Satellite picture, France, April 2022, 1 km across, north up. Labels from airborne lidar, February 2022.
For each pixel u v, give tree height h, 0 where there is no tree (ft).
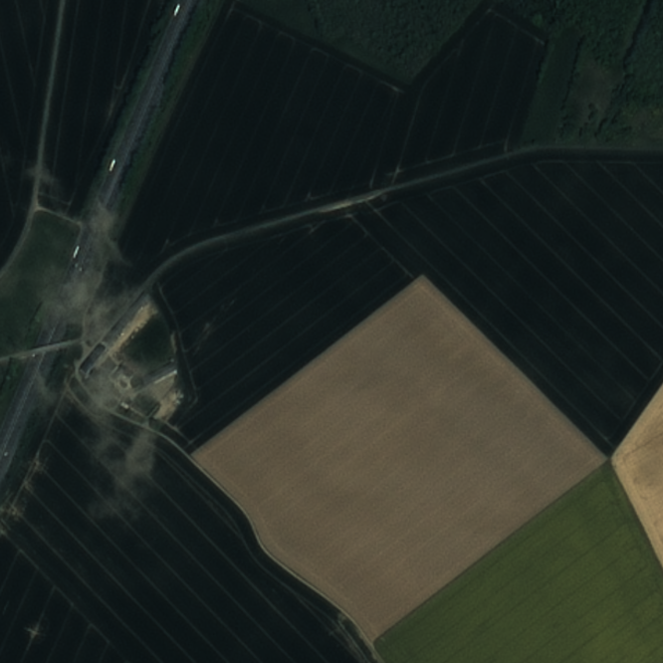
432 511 0
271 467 0
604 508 0
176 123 0
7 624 0
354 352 0
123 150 0
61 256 0
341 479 0
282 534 0
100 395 40
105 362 0
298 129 0
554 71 0
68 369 0
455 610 0
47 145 0
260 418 0
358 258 0
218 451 0
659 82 55
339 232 0
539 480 0
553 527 0
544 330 0
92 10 0
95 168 0
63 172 0
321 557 0
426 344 0
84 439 0
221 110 0
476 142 0
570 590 0
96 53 0
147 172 0
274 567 0
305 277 0
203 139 0
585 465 0
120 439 0
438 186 0
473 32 0
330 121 0
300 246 0
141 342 0
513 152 0
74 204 0
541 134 0
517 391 0
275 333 0
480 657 0
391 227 0
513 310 0
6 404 0
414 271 0
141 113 0
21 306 0
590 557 0
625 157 0
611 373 0
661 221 0
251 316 0
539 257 0
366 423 0
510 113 0
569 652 0
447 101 0
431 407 0
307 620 0
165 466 0
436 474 0
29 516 0
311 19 0
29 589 0
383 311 0
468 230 0
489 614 0
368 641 0
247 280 0
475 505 0
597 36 58
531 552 0
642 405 0
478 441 0
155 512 0
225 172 0
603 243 0
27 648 0
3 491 0
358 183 0
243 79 0
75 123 0
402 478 0
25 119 0
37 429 0
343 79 0
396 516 0
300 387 0
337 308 0
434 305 0
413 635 0
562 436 0
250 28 0
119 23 0
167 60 0
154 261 0
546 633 0
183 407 0
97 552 0
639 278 0
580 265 0
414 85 0
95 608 0
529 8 69
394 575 0
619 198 0
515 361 0
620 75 0
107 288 0
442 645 0
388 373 0
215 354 0
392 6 57
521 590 0
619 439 0
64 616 0
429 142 0
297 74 0
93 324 0
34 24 0
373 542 0
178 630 0
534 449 0
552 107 0
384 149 0
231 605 0
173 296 0
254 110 0
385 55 63
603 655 0
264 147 0
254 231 0
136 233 0
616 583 0
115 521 0
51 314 0
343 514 0
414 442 0
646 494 0
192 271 0
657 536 0
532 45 0
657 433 0
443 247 0
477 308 0
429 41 73
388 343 0
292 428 0
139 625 0
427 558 0
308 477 0
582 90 0
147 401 37
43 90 0
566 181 0
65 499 0
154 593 0
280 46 0
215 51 0
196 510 0
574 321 0
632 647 0
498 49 0
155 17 0
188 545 0
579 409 0
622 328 0
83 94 0
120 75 0
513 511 0
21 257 0
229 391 0
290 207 0
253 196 0
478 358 0
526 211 0
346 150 0
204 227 0
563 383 0
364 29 66
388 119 0
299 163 0
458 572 0
